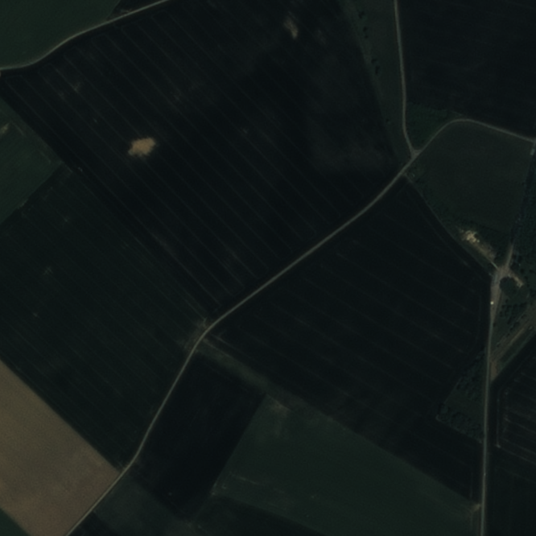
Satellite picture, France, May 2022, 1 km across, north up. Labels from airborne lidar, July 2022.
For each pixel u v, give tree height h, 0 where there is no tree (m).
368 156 0
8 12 0
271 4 0
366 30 10
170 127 0
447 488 0
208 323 0
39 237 0
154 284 0
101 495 0
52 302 0
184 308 0
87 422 0
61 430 0
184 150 0
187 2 0
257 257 0
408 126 6
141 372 0
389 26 0
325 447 0
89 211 0
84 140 0
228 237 0
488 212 0
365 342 0
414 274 0
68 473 0
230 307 0
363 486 0
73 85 0
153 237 0
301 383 0
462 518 0
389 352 0
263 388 0
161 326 0
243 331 0
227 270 0
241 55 0
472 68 0
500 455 0
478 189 0
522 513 0
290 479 0
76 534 0
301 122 0
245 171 0
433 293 0
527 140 0
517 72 0
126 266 0
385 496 0
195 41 0
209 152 0
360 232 0
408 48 0
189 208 0
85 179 0
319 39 0
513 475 0
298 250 0
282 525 0
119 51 0
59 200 0
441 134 0
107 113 0
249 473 0
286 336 0
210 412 0
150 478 0
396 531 0
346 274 0
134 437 0
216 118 0
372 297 0
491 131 0
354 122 0
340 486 0
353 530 0
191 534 0
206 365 0
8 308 0
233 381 0
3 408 0
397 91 0
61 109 0
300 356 0
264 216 0
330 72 0
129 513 0
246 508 0
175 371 0
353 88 0
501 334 0
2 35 0
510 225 0
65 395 0
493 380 0
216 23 0
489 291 0
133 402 0
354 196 0
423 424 0
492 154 0
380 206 0
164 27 0
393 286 0
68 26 0
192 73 0
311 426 0
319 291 0
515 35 0
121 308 0
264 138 0
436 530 0
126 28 0
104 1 0
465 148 0
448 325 0
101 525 0
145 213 0
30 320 0
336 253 0
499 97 0
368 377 0
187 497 0
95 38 0
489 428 0
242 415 0
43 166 0
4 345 0
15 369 0
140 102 0
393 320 0
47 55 0
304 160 0
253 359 0
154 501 0
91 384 0
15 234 0
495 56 0
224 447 0
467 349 0
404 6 0
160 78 0
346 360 0
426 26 0
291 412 0
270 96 0
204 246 0
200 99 0
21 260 0
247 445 0
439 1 0
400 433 0
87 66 0
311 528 0
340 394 0
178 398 0
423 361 0
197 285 0
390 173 0
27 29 0
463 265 0
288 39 0
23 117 0
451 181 0
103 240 0
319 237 0
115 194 0
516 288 19
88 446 0
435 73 0
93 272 0
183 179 0
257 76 0
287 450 0
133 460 0
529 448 0
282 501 0
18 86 0
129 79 0
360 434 0
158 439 0
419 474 0
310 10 0
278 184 0
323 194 0
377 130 0
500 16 0
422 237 0
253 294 0
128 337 0
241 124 0
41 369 0
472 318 0
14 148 0
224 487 0
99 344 0
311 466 0
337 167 0
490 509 0
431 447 0
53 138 0
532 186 21
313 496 0
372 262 0
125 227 0
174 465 0
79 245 0
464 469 0
